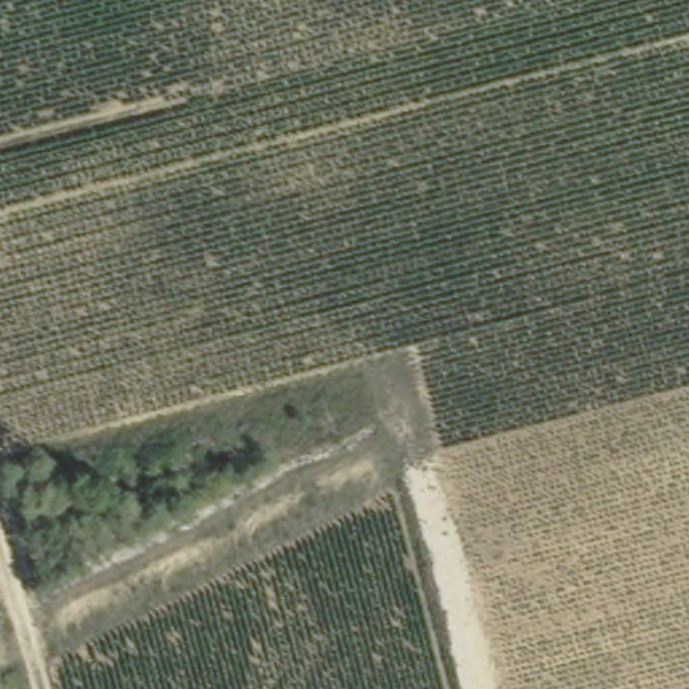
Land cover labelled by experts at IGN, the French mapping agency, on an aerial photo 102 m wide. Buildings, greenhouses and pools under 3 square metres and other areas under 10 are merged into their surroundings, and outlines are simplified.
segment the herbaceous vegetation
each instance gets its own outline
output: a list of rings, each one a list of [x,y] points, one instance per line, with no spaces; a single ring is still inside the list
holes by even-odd
[[[40,587],[32,552],[22,546],[19,533],[24,533],[24,511],[11,511],[3,466],[22,466],[48,458],[54,460],[62,447],[27,444],[22,436],[16,436],[11,428],[0,423],[0,525],[11,546],[13,573],[32,597],[32,622],[40,630],[40,641],[46,646],[46,670],[54,689],[57,689],[62,659],[75,654],[78,646],[97,643],[105,632],[121,627],[151,622],[167,614],[175,603],[186,603],[194,595],[226,584],[231,573],[242,571],[245,565],[269,560],[296,546],[299,541],[312,538],[315,533],[323,533],[334,525],[342,525],[345,519],[366,514],[369,509],[385,511],[385,495],[393,498],[393,503],[401,498],[393,482],[398,482],[401,476],[406,479],[406,468],[417,468],[433,452],[441,452],[444,444],[436,431],[436,409],[425,385],[423,355],[417,345],[369,353],[363,355],[366,366],[361,371],[350,369],[299,385],[275,388],[258,396],[231,398],[223,404],[213,404],[207,409],[145,420],[118,431],[129,441],[143,444],[151,433],[170,423],[178,433],[191,436],[191,441],[205,447],[207,452],[240,449],[242,436],[250,436],[264,455],[264,463],[258,466],[261,474],[253,479],[256,490],[245,495],[242,484],[226,484],[223,498],[199,506],[186,522],[170,514],[159,533],[140,536],[137,544],[102,554],[97,563],[86,563],[81,571],[75,571],[73,576],[62,576],[62,581],[51,587]]]
[[[30,689],[16,632],[0,592],[0,689]]]

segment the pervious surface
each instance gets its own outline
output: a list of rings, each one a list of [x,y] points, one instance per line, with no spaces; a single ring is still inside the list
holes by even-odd
[[[32,597],[13,573],[11,546],[0,525],[0,592],[16,632],[30,689],[54,689],[46,670],[46,646],[40,641],[40,630],[32,622]]]
[[[420,519],[423,541],[431,552],[439,600],[447,614],[449,649],[460,689],[495,689],[490,643],[476,619],[474,595],[468,584],[468,563],[463,557],[455,522],[447,514],[441,482],[433,471],[417,468],[406,468],[406,479]]]

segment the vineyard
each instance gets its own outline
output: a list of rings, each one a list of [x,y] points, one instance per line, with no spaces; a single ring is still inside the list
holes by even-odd
[[[439,600],[431,552],[423,541],[420,519],[406,479],[401,476],[398,482],[393,482],[401,498],[393,503],[393,498],[385,495],[385,511],[369,509],[366,514],[345,519],[342,525],[334,525],[323,533],[315,533],[312,538],[299,541],[296,546],[269,560],[245,565],[242,571],[231,573],[226,584],[194,595],[186,603],[175,603],[167,614],[151,622],[121,627],[105,632],[97,643],[78,646],[75,654],[62,659],[57,689],[460,689],[449,649],[447,614]]]
[[[423,355],[425,385],[436,409],[436,431],[444,444],[441,452],[433,452],[417,468],[433,471],[441,482],[447,514],[455,522],[463,557],[468,563],[468,584],[474,595],[476,619],[490,643],[495,689],[689,689],[689,0],[0,0],[0,423],[11,428],[16,436],[22,436],[27,444],[62,447],[70,441],[118,431],[145,420],[207,409],[213,404],[223,404],[231,398],[258,396],[275,388],[299,385],[350,369],[361,371],[366,366],[363,355],[369,353],[417,345]]]

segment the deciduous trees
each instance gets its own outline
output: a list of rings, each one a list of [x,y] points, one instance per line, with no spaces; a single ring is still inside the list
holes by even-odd
[[[24,511],[24,533],[19,533],[22,546],[32,552],[40,587],[51,587],[62,581],[62,576],[73,576],[75,571],[81,571],[86,563],[97,563],[102,554],[137,544],[140,536],[159,533],[170,514],[186,522],[199,506],[223,498],[226,484],[242,484],[245,495],[256,490],[253,479],[261,474],[258,466],[264,463],[264,455],[250,436],[242,436],[240,449],[207,452],[205,447],[191,441],[191,436],[178,433],[170,423],[151,433],[143,444],[129,441],[118,431],[70,441],[62,447],[54,460],[48,458],[22,466],[3,466],[11,511]]]

